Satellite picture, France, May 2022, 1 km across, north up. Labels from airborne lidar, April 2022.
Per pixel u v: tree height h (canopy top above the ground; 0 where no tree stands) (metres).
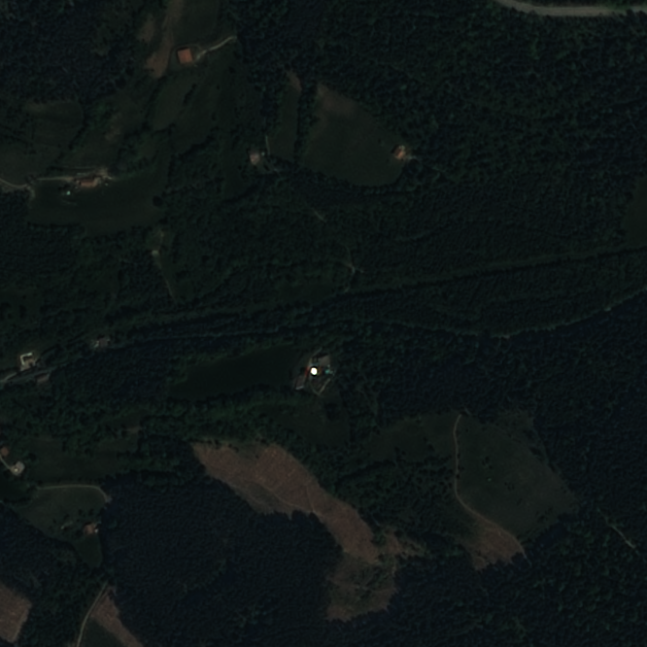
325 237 17
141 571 32
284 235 16
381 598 0
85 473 0
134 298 15
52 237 11
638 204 0
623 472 29
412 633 27
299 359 0
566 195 9
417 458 0
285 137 0
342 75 11
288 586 31
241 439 22
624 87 23
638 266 19
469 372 28
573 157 9
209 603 29
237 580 32
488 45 14
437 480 11
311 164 0
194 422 17
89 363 14
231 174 0
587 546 21
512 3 0
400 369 26
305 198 18
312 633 28
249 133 6
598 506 25
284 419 0
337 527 0
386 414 23
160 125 0
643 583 28
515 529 0
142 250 10
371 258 14
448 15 15
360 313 14
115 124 0
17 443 20
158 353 22
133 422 0
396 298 14
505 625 31
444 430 0
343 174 0
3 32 21
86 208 0
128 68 7
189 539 35
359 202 20
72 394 14
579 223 21
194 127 0
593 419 21
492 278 12
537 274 15
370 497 23
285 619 33
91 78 22
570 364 20
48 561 32
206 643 7
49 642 19
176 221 11
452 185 13
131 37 12
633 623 24
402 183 11
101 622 0
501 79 20
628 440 23
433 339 24
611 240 19
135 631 36
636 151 30
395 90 21
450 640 30
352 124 0
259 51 27
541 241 14
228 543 32
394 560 14
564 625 37
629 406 24
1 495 0
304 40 19
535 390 13
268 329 15
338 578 0
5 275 14
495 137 6
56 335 8
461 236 15
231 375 0
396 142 0
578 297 17
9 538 32
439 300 18
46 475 0
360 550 0
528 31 19
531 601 31
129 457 14
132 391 16
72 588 18
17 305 0
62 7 14
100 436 17
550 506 0
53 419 15
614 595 28
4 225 11
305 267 24
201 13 0
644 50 25
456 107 13
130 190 0
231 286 15
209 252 19
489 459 7
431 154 21
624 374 11
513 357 10
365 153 0
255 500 0
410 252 16
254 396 20
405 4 17
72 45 24
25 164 0
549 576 27
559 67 23
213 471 0
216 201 10
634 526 23
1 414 0
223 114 0
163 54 0
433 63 14
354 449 11
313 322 20
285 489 0
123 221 0
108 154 0
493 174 17
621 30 15
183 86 0
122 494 32
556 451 29
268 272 8
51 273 12
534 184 15
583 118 21
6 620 0
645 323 21
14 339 12
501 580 29
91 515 9
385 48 13
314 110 7
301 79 21
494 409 28
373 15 14
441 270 14
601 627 27
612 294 14
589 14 0
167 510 35
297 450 19
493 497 0
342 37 15
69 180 0
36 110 0
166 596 31
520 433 0
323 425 0
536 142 10
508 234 14
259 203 12
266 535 33
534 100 12
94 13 26
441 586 32
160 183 0
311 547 34
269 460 0
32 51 25
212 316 0
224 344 16
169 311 8
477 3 13
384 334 27
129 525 35
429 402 30
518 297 19
